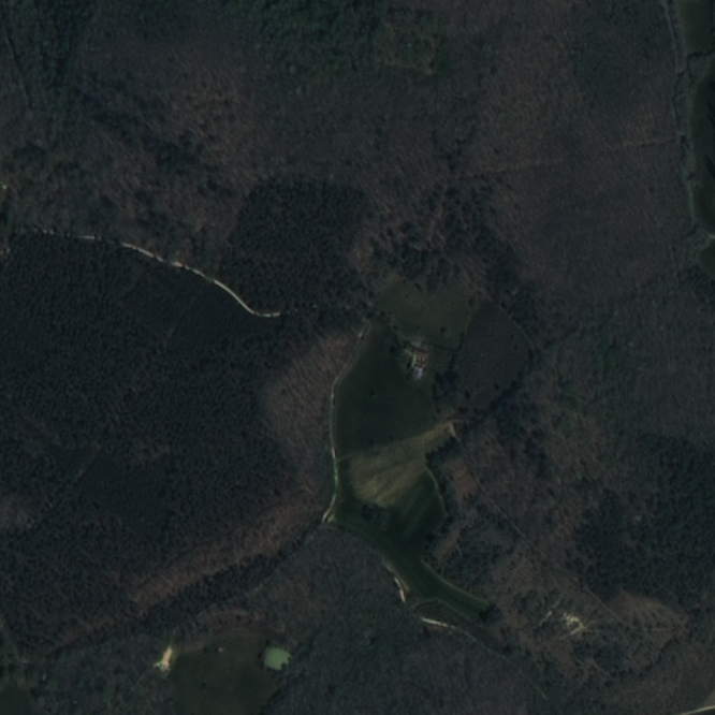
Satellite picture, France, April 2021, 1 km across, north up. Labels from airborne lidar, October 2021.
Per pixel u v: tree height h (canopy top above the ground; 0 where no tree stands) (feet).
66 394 72
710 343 41
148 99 54
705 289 68
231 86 44
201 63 44
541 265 45
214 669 0
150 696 55
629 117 52
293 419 46
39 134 47
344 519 0
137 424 73
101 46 45
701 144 0
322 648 76
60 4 76
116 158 58
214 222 42
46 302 69
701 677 52
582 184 54
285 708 78
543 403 48
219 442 74
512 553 29
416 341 0
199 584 33
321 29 58
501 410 53
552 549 49
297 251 74
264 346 77
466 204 33
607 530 67
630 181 53
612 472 43
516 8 60
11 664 62
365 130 52
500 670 62
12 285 70
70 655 63
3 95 65
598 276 45
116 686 60
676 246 57
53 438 54
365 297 91
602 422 56
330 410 69
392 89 37
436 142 33
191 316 32
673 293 58
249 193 42
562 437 45
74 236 52
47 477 71
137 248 37
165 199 29
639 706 42
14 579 67
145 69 56
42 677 72
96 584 68
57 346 63
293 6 95
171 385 70
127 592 71
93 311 71
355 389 0
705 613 30
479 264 45
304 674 55
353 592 47
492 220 36
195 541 62
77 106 58
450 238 33
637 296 46
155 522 24
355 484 0
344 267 71
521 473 45
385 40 87
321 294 45
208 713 0
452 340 0
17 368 23
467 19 47
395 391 0
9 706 0
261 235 70
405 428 0
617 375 73
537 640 38
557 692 47
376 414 0
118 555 61
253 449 75
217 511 74
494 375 0
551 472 34
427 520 0
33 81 65
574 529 47
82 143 67
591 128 47
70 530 70
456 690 56
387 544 0
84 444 58
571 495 53
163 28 51
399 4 32
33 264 66
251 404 74
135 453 71
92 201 69
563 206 46
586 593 24
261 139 54
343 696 87
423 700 70
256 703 0
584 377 47
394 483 0
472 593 45
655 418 48
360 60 36
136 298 28
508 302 44
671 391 54
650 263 49
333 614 56
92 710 48
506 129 40
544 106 41
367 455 0
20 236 53
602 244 54
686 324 49
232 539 43
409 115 38
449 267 60
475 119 25
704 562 64
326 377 49
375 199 50
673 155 52
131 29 56
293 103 47
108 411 68
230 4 56
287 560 54
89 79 51
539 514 42
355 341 70
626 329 65
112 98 59
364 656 77
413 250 33
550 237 50
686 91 71
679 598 59
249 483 65
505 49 46
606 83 53
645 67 56
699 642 42
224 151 41
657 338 67
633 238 53
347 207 67
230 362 70
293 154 48
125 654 52
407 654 65
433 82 37
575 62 53
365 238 50
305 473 52
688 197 47
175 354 26
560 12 36
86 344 63
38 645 69
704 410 45
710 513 58
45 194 25
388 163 41
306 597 58
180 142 31
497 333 0
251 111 46
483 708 59
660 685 51
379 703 63
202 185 44
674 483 47
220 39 52
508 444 69
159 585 71
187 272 34
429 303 0
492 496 28
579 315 51
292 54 74
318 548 47
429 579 0
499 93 50
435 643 49
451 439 0
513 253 52
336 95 54
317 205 68
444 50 43
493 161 36
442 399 56
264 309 62
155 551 68
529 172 46
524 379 54
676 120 45
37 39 48
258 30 55
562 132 39
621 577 70
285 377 55
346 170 50
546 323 37
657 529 51
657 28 40
